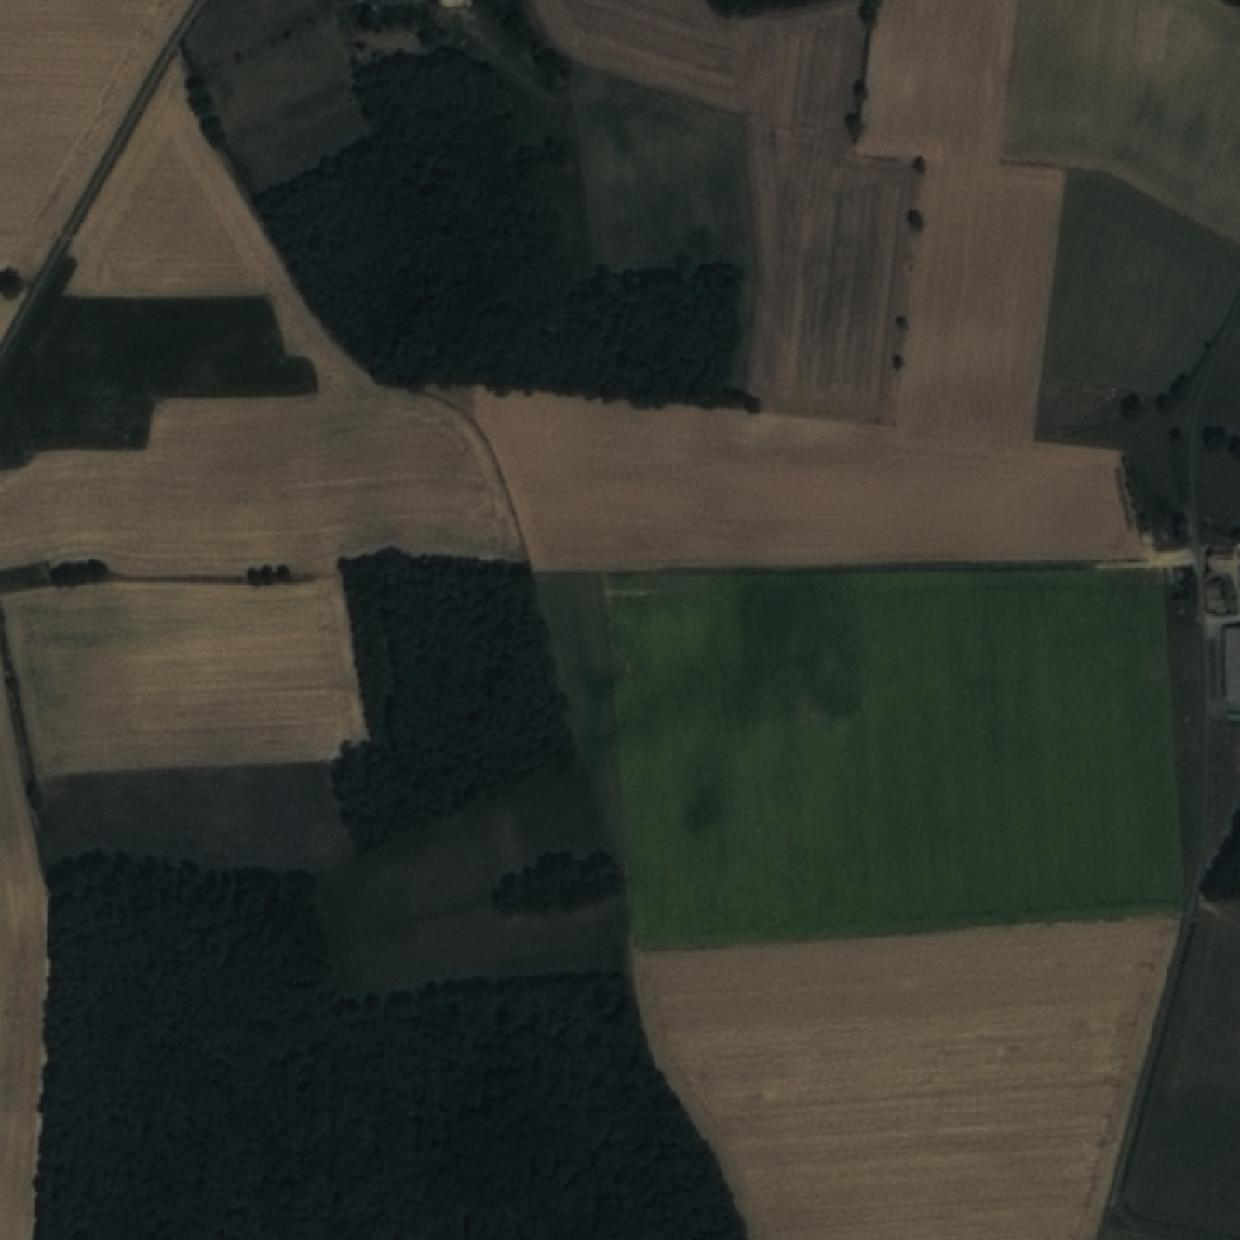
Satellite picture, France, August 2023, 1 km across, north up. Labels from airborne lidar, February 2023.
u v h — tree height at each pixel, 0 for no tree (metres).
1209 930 0
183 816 0
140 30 0
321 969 20
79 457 0
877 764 0
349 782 19
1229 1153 0
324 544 0
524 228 23
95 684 0
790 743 0
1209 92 0
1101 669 0
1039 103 0
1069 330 0
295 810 0
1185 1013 0
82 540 0
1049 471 0
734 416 0
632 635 0
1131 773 0
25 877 0
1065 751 0
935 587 0
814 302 0
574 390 16
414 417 0
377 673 6
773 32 0
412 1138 18
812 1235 0
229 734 0
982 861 0
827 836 0
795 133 0
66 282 0
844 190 0
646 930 0
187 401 0
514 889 17
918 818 0
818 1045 0
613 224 0
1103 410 0
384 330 13
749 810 0
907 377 0
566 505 0
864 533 0
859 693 0
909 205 0
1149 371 0
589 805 0
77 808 0
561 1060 24
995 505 0
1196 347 0
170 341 0
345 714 0
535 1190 20
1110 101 0
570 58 0
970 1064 0
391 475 0
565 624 0
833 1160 0
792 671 0
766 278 0
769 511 0
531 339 23
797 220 0
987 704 0
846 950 0
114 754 0
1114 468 0
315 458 0
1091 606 0
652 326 25
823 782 0
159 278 0
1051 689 0
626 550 0
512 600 23
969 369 0
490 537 0
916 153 0
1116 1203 0
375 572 8
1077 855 0
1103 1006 0
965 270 0
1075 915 0
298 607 0
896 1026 0
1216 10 0
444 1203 13
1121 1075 0
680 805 0
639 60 0
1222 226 0
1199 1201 0
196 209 0
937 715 0
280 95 0
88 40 0
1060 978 0
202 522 0
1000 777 0
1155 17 0
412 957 0
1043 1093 0
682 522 0
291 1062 24
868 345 0
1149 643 0
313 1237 20
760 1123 0
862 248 0
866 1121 0
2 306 0
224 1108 19
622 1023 18
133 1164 23
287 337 0
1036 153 0
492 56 0
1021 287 0
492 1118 24
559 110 0
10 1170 0
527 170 20
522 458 0
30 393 0
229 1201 18
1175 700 0
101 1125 23
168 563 0
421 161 22
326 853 0
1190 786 0
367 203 19
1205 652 0
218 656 0
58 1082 21
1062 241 0
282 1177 21
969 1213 0
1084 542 0
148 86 0
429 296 6
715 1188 20
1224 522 0
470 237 21
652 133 0
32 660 0
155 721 0
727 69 0
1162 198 0
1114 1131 0
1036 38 0
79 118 0
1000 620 0
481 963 0
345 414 0
